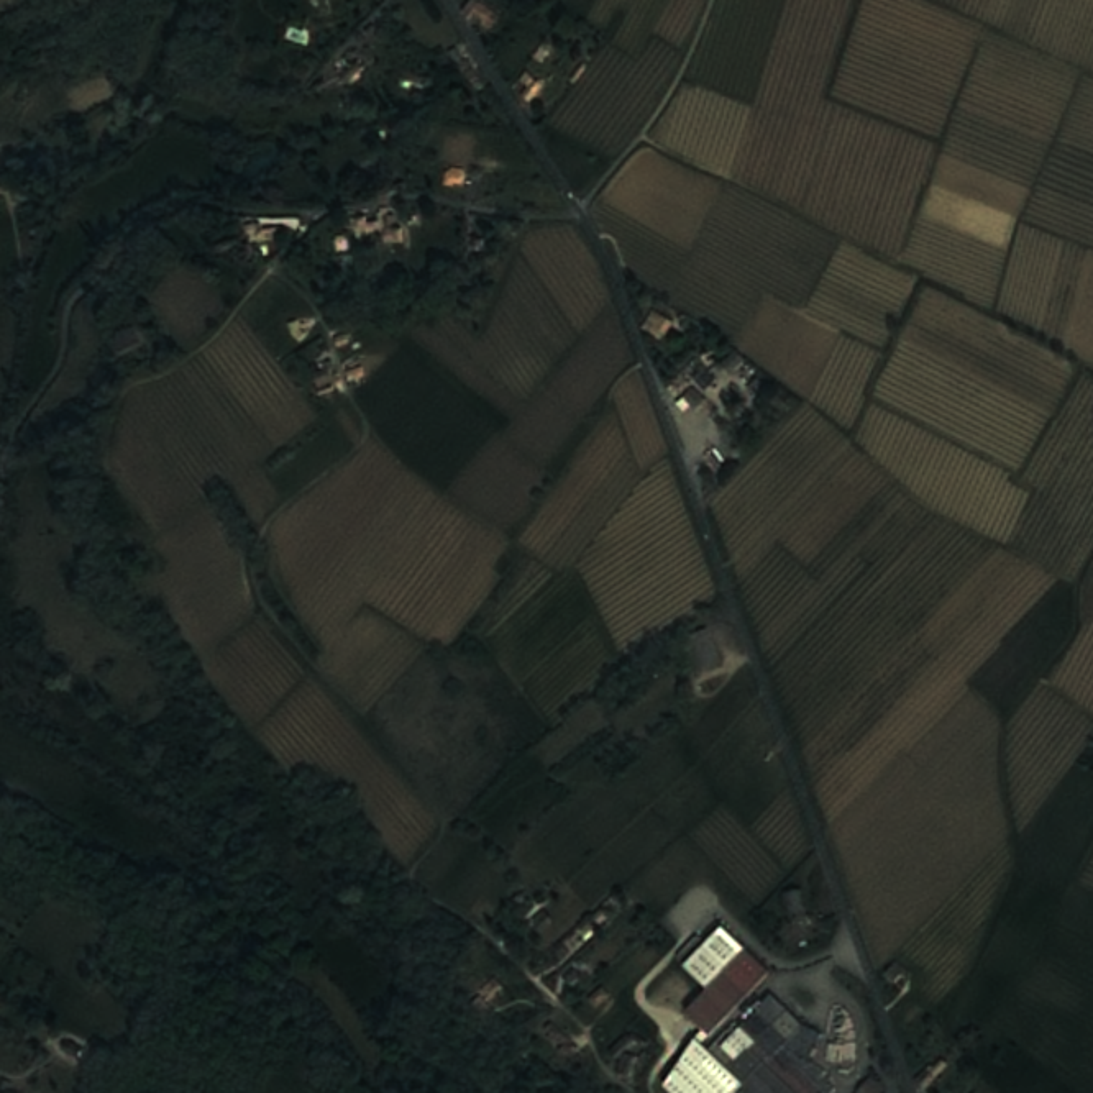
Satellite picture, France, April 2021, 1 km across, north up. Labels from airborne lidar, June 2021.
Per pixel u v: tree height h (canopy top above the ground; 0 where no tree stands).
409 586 0
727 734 0
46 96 0
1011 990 0
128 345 0
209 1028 21
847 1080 0
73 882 17
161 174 0
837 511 0
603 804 0
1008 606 0
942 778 0
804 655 0
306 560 0
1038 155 0
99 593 20
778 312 0
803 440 0
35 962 13
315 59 10
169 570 0
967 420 0
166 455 0
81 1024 0
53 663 13
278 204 11
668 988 0
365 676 0
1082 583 0
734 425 13
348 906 12
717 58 0
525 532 0
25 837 21
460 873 0
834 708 0
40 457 21
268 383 0
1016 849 0
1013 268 0
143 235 23
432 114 13
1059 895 0
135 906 21
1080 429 0
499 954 11
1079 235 0
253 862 20
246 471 0
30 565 0
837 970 0
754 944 0
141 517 0
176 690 9
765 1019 0
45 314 0
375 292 20
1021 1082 0
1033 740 0
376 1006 0
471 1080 28
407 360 0
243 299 0
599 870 0
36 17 15
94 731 0
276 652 0
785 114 0
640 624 0
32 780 0
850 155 0
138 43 25
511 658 0
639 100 0
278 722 0
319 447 0
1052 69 0
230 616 0
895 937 0
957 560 0
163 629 14
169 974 25
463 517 0
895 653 0
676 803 0
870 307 0
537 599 0
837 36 0
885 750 0
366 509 0
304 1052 8
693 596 0
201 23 14
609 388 0
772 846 0
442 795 0
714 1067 0
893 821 0
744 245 0
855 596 0
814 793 0
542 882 0
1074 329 0
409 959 27
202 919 19
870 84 0
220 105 12
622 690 14
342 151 0
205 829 8
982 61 0
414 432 0
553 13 0
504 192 6
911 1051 7
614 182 0
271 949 25
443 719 0
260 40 8
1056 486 0
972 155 0
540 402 0
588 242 0
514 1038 15
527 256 0
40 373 0
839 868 0
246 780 18
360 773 0
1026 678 0
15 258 0
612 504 0
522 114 0
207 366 0
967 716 0
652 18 0
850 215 0
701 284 0
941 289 0
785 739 0
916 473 0
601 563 0
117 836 0
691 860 0
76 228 0
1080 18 0
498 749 0
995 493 0
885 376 0
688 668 11
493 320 0
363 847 19
